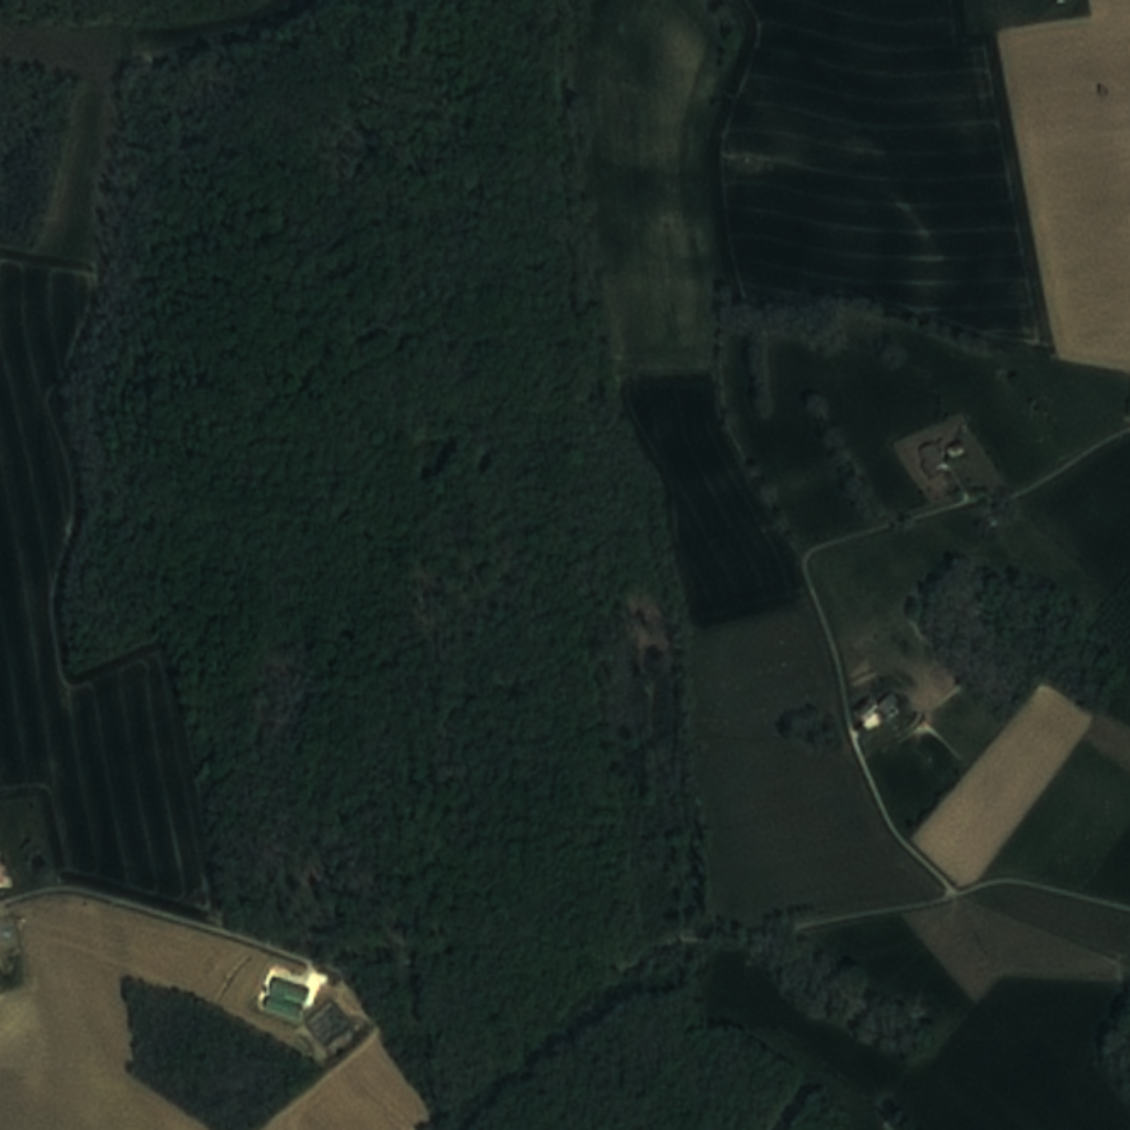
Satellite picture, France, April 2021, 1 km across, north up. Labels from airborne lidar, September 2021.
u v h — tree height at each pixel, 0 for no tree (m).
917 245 0
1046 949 0
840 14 0
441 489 22
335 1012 0
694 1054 22
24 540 0
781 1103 26
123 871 0
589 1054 25
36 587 0
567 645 23
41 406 0
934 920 0
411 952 24
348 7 18
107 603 23
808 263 0
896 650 0
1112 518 0
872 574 0
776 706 0
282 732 19
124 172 22
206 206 26
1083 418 0
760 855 0
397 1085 0
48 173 19
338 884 18
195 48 0
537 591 11
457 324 26
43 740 0
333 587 22
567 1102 22
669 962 15
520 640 22
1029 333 0
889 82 0
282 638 20
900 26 0
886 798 0
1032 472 0
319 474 26
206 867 0
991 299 0
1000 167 0
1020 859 0
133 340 21
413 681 22
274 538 28
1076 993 0
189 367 26
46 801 0
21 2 20
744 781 0
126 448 22
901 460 0
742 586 0
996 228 0
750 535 0
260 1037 14
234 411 31
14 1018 0
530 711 25
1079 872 0
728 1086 21
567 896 22
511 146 27
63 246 0
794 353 0
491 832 21
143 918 0
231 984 0
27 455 0
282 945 15
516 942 19
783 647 0
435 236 25
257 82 27
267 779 19
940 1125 0
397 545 18
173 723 0
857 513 18
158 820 0
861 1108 0
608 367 16
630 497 16
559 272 24
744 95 0
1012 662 17
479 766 22
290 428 27
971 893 0
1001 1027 0
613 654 10
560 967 23
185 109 24
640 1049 25
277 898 10
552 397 24
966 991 0
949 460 8
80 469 15
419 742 24
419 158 24
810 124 0
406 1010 21
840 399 0
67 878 0
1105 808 0
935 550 0
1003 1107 0
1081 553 0
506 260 27
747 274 0
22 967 0
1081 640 20
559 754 23
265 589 27
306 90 26
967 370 0
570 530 18
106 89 0
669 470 0
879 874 0
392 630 24
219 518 26
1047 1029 0
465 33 21
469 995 24
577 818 26
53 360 0
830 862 0
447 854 17
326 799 19
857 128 0
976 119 0
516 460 20
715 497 0
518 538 16
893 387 0
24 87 20
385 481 20
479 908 22
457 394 21
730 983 0
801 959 15
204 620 22
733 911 0
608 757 23
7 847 0
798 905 0
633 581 19
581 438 21
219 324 29
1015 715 17
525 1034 23
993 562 0
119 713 0
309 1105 0
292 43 19
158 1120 0
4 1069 0
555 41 19
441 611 25
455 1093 22
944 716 0
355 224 29
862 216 0
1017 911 0
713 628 0
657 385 0
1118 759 0
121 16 20
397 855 23
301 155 29
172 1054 18
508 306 30
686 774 19
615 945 22
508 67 23
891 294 0
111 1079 0
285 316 28
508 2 24
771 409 16
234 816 16
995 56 0
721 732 0
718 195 0
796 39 0
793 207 0
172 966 0
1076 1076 0
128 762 0
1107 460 0
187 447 27
